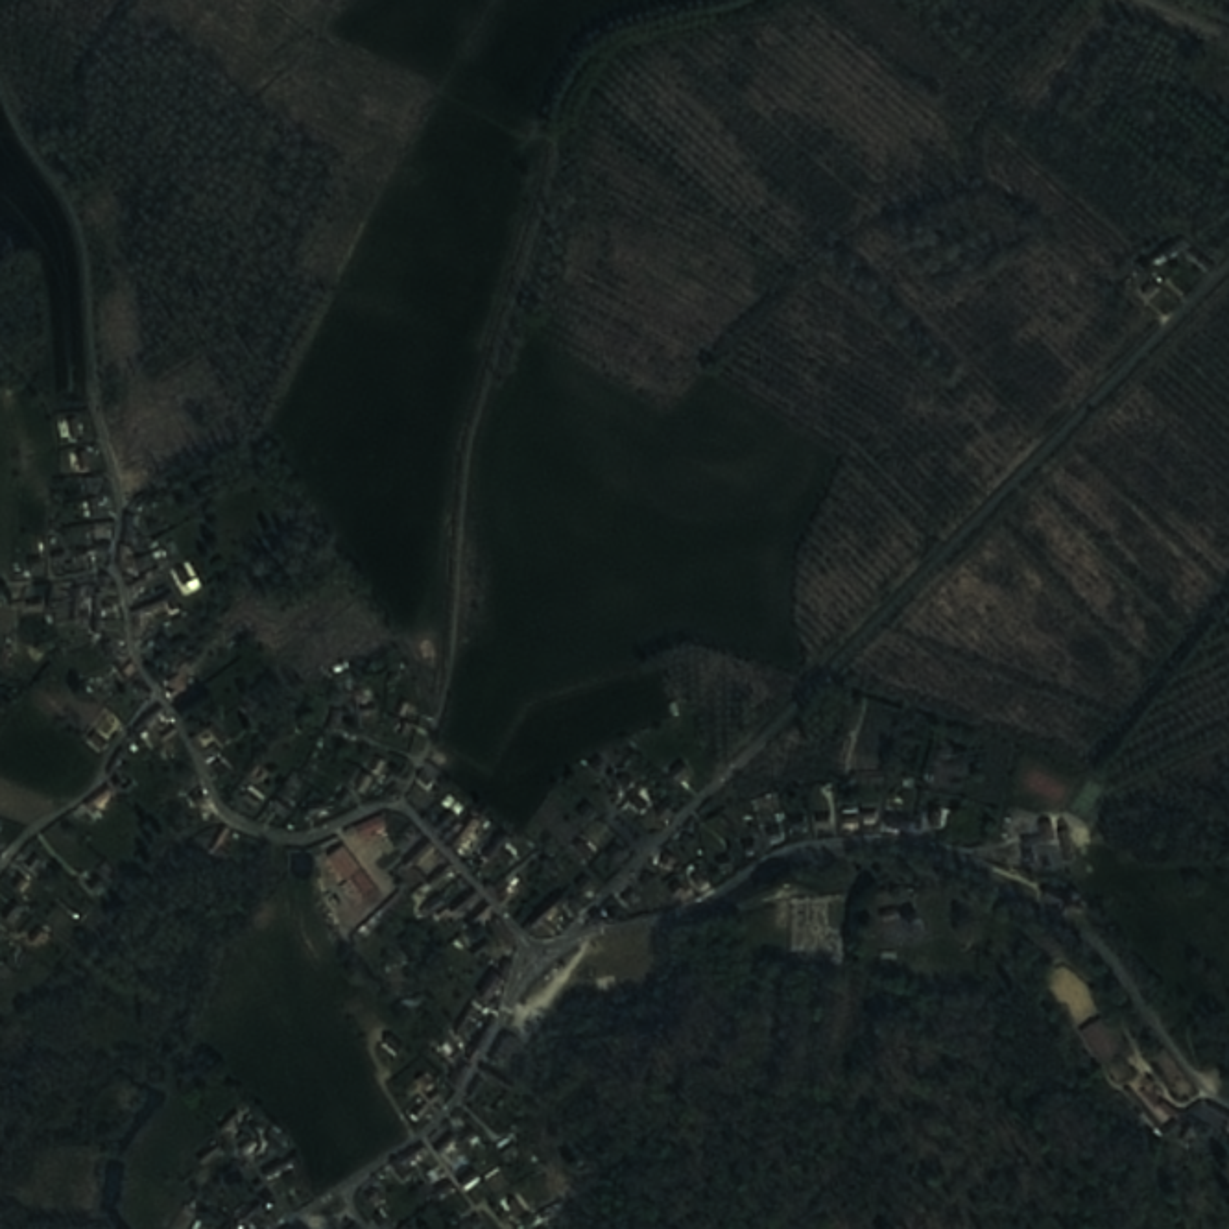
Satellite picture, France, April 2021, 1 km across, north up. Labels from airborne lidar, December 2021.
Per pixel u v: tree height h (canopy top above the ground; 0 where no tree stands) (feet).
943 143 53
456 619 0
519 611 0
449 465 0
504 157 0
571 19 0
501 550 0
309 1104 0
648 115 71
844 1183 64
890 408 18
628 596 0
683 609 0
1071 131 62
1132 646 17
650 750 0
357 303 0
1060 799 0
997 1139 81
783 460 0
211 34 0
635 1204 79
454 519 0
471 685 0
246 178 100
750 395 19
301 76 0
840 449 21
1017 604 0
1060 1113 86
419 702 0
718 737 72
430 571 0
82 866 0
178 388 0
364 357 0
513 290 0
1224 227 44
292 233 96
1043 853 0
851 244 21
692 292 46
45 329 74
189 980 82
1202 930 0
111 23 30
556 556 0
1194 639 36
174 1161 0
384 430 0
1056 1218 81
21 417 0
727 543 0
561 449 0
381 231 0
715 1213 70
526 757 0
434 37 0
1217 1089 0
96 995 57
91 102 31
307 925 0
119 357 0
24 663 0
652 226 49
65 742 0
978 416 19
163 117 0
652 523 0
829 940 0
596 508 0
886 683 47
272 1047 0
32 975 0
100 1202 23
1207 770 53
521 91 0
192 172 103
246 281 101
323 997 0
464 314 0
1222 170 69
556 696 0
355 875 0
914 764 17
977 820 0
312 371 0
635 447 0
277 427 0
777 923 0
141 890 76
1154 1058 29
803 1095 71
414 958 56
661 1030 39
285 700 86
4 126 0
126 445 0
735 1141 75
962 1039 78
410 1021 57
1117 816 78
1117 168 54
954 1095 75
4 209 0
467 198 0
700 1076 83
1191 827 67
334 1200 0
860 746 0
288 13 0
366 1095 0
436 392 0
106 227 0
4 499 0
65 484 29
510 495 0
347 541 0
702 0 63
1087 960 80
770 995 54
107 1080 40
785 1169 52
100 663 0
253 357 116
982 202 73
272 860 51
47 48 24
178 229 112
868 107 57
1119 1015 52
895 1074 85
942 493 17
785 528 0
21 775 0
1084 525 19
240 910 45
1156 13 0
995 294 20
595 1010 62
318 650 0
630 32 67
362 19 0
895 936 0
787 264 19
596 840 0
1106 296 49
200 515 22
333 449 0
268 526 56
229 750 0
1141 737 69
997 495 0
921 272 76
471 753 0
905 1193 76
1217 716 60
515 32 0
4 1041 29
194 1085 61
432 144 0
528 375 0
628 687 0
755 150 25
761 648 0
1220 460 19
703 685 77
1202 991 0
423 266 0
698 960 57
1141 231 37
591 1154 41
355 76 0
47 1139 33
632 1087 76
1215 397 17
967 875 62
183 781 52
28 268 114
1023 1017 68
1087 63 47
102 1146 32
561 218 28
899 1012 63
